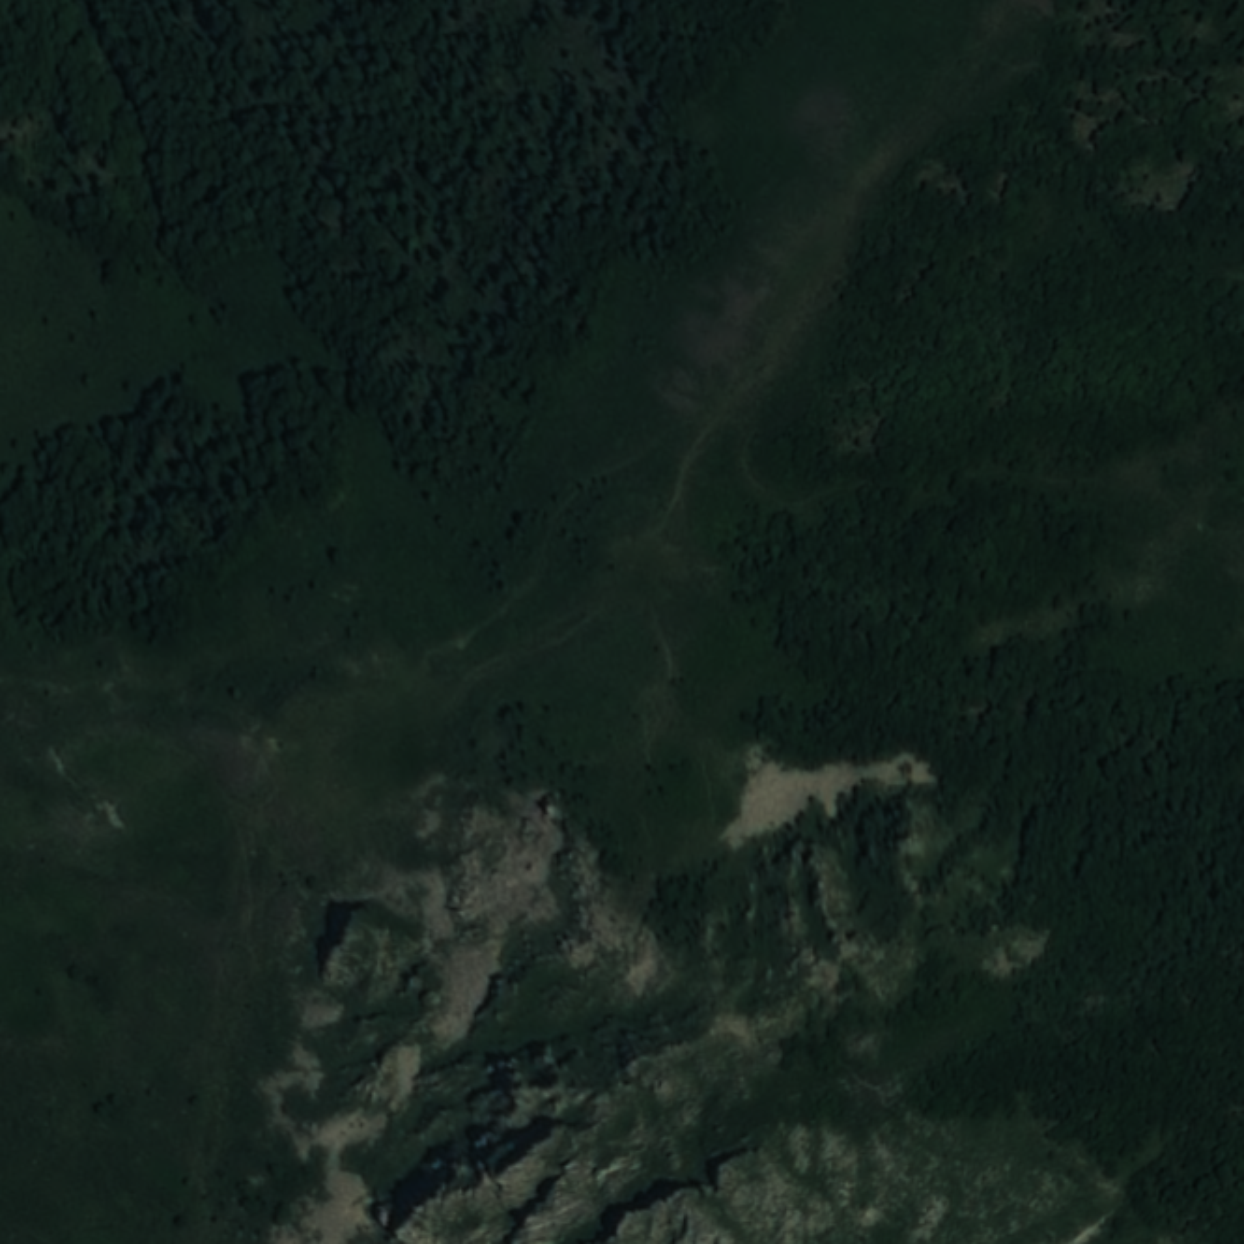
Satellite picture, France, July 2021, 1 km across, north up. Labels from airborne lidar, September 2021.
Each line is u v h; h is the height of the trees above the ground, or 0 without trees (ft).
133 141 61
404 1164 0
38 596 38
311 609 0
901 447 62
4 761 0
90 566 47
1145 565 0
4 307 0
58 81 65
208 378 0
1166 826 65
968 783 46
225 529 39
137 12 73
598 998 0
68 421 0
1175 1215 52
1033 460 37
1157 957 36
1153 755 83
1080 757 63
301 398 72
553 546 0
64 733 0
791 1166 0
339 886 0
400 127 80
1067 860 64
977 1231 0
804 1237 0
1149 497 0
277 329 0
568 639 0
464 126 43
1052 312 45
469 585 0
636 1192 0
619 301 0
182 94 67
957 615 67
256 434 52
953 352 31
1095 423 52
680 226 52
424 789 0
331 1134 0
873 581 37
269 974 0
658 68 68
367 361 65
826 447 43
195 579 43
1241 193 61
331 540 0
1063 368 62
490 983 0
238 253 31
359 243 56
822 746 51
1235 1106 39
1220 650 0
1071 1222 0
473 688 0
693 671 0
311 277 43
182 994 0
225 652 0
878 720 56
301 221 69
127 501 42
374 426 0
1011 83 0
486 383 54
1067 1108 56
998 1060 42
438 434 66
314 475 67
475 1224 0
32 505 54
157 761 0
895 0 0
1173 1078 51
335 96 70
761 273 0
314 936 0
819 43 0
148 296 0
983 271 44
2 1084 0
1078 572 45
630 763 0
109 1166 0
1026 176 52
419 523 0
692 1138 0
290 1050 0
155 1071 0
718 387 0
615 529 0
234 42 88
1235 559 0
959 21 0
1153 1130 35
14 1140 0
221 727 0
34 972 0
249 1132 0
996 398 73
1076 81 52
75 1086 0
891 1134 0
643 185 55
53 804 0
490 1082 0
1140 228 43
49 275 0
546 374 33
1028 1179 0
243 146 59
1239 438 0
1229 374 38
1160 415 66
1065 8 34
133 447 75
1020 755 80
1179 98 50
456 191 65
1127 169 34
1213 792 87
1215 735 75
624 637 0
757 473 0
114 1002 0
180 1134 0
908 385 47
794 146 0
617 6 75
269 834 0
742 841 0
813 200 0
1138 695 43
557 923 0
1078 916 51
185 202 55
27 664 0
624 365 0
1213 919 54
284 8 44
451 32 60
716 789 0
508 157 40
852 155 0
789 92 0
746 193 0
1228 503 0
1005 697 73
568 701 0
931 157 26
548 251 66
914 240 45
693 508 0
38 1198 0
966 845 40
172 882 0
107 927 0
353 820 0
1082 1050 61
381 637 0
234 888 0
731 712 0
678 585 0
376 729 0
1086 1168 0
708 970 0
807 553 72
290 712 0
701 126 0
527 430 21
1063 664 44
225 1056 0
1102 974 33
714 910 24
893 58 0
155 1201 0
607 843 36
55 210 41
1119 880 51
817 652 60
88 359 0
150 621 35
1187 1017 72
